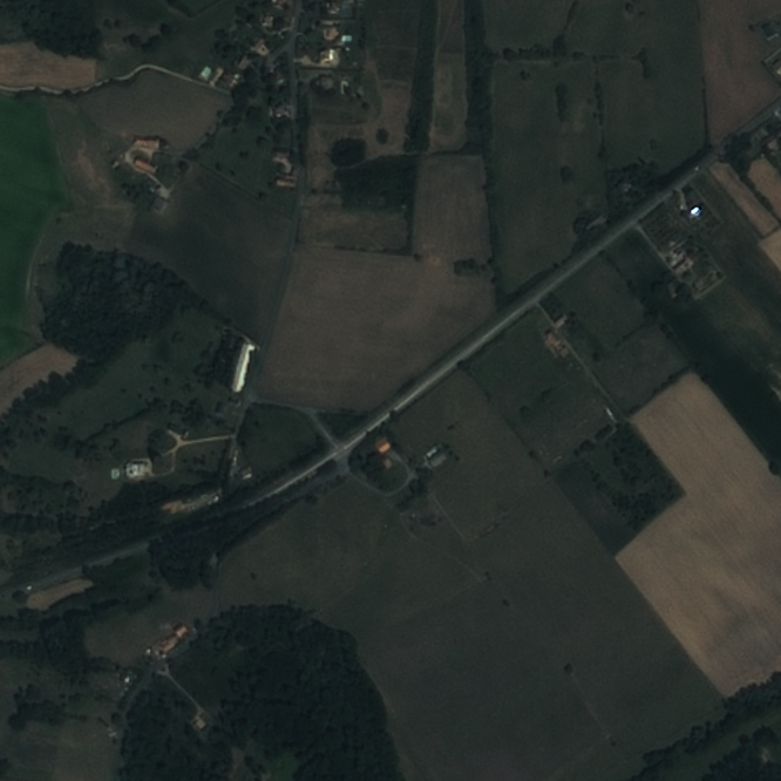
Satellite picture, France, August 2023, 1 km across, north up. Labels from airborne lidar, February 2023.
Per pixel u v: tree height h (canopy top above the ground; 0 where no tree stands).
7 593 0
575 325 9
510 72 0
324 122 0
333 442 0
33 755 0
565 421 0
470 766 0
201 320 0
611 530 0
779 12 0
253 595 0
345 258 0
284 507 8
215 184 0
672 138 0
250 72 9
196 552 28
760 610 0
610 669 0
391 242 0
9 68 0
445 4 0
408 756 0
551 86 0
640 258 0
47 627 14
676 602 0
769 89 0
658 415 0
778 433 0
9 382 0
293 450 0
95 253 14
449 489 0
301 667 7
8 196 0
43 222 0
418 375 0
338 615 0
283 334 0
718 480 0
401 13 0
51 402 15
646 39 0
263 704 20
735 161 9
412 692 0
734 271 0
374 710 24
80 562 0
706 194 0
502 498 0
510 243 0
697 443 0
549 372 0
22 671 0
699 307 0
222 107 0
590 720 0
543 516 0
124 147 0
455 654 0
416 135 12
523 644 0
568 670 7
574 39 0
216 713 0
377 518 0
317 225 0
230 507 18
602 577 0
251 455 0
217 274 0
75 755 0
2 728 0
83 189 0
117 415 0
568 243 0
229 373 7
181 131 0
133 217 0
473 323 0
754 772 20
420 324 0
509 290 0
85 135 0
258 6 10
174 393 0
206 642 9
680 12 0
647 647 0
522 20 0
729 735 17
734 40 0
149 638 0
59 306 7
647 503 7
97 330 16
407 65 0
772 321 0
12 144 0
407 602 0
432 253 0
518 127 0
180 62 0
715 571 0
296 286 0
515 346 0
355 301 0
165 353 0
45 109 0
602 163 0
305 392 0
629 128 0
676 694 0
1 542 0
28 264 0
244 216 0
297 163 16
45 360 0
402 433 0
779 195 0
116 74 0
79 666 8
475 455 0
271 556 0
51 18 11
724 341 0
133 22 0
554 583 0
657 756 14
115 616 13
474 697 0
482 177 0
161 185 0
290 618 20
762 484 0
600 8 0
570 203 0
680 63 0
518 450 0
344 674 24
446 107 0
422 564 0
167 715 19
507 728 0
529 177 0
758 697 25
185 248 0
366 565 0
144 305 18
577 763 0
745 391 0
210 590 15
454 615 0
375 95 0
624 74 0
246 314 0
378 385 0
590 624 0
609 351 0
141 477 0
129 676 9
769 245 0
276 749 24
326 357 0
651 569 0
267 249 0
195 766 18
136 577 0
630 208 9
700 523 0
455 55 0
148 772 19
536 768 0
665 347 0
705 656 0
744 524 0
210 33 0
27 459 0
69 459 0
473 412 0
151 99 0
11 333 0
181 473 0
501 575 0
